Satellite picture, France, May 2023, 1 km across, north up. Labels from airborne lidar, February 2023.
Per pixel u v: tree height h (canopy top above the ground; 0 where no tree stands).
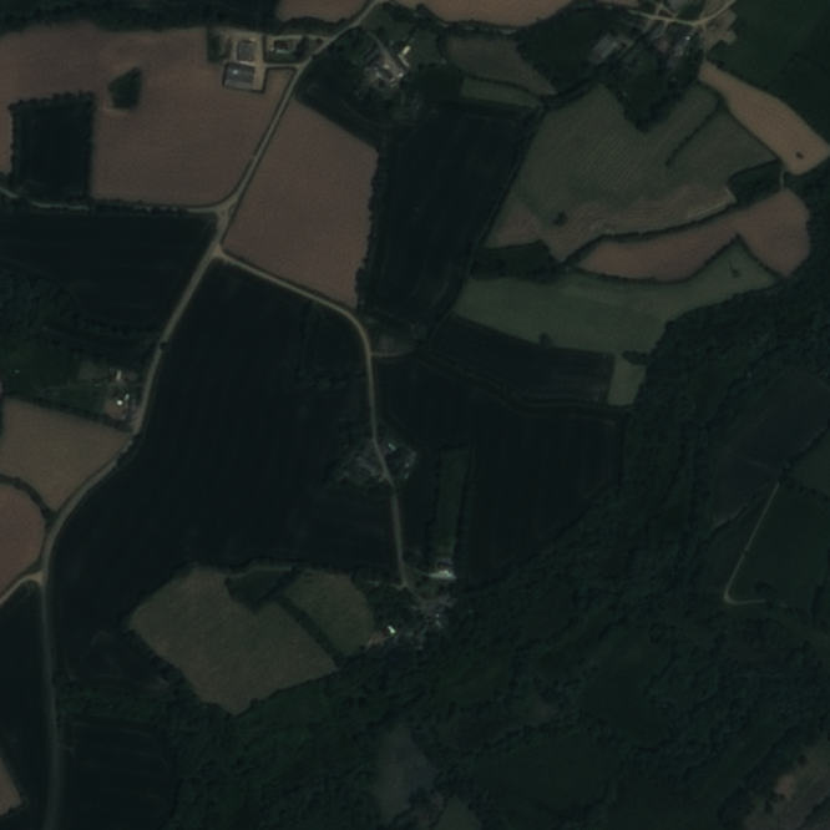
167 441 0
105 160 0
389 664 25
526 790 0
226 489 0
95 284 0
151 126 0
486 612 25
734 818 17
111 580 0
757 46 0
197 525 0
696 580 19
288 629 0
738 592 0
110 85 0
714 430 18
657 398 18
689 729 22
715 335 19
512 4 0
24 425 0
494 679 0
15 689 0
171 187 0
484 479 0
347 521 0
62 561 0
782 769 15
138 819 0
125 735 0
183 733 8
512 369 0
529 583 9
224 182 0
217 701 0
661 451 10
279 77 0
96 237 0
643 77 0
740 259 0
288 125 0
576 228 0
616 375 0
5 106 0
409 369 0
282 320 0
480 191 0
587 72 9
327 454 0
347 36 10
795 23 0
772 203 0
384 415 0
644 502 13
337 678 15
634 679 0
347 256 0
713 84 0
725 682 16
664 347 14
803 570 0
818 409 0
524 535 0
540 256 0
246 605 0
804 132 0
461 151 0
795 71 0
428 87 0
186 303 0
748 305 14
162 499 0
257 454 0
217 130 0
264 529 0
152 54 0
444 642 12
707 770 19
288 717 0
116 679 0
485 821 14
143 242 0
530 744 7
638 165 0
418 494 0
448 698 0
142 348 0
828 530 0
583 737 0
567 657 0
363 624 0
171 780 0
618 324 0
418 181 0
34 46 0
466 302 0
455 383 0
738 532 0
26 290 20
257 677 0
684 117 0
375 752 11
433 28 15
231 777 7
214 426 0
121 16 13
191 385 0
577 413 0
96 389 0
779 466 0
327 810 8
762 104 0
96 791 0
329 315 0
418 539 0
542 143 0
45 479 0
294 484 0
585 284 0
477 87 0
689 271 0
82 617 0
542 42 0
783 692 20
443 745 8
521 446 0
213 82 0
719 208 0
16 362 0
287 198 0
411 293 0
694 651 14
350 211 0
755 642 5
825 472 0
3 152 0
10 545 0
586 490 0
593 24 0
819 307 8
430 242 0
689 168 0
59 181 0
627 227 0
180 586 0
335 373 0
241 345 0
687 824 0
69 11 15
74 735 0
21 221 0
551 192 0
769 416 0
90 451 0
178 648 0
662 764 18
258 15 0
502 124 0
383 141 0
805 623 13
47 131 0
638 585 9
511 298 0
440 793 16
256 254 0
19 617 0
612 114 0
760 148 0
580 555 10
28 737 0
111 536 0
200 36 0
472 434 0
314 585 0
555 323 0
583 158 0
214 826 12
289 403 0
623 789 0
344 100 0
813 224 13
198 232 0
